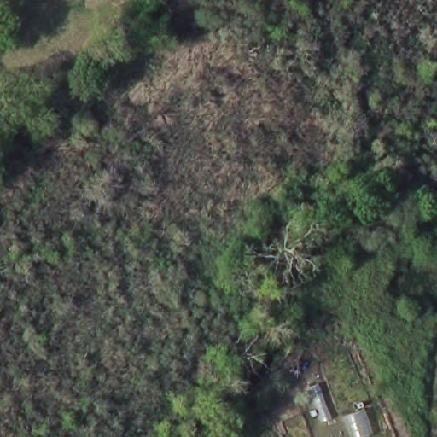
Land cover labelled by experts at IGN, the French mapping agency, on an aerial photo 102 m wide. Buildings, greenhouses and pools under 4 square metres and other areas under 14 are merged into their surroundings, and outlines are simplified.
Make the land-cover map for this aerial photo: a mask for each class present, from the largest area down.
<instances>
[{"label":"brushwood","instance_id":"1","mask_svg":"<svg viewBox=\"0 0 437 437\"><path fill-rule=\"evenodd\" d=\"M198 0H164L150 12V17L160 20L164 15H169V32L178 39V43L183 44L178 51H145L131 56V60L114 63L102 73L99 80V87L104 90L101 101H97L94 96L90 97L89 101H82L79 96H73L68 80H60L53 87L50 97L44 102L46 108L56 114L58 128L48 137L34 140L26 125L19 126L14 137L9 138L3 145V157L0 160V437H160L155 425L166 420L172 405L167 399L169 394L166 393V389H159L155 382L145 381L155 370L149 369L145 362L152 355V343H160V347H166L176 345L178 340L186 341L188 328L184 326L189 323V319L184 306L189 304V300H195L201 288L212 283V278L203 270L200 249L196 248L203 241V237L210 236L212 232L218 236L227 234L237 224L234 210L239 205L253 200L254 196L261 198L263 195H273L275 184L285 174V167L294 166L297 171H306L307 167L312 166L319 172L324 167L331 166L338 150V137L347 135V131L353 133L352 143L355 147L370 150L382 125H391L393 121H399L410 125L411 130L417 131L427 119L437 121V72L434 73V79L425 82L418 73V65L427 60L437 63V0H246L261 7L258 14L248 17L236 9L234 0H224V7L212 5L210 10V14L217 15L220 19V26L208 31L198 24L195 17V3ZM265 20L271 26L285 27L288 31L287 38L277 41L271 39L270 32L261 31V24ZM369 26L384 27L387 39L379 36V32H374L365 48L353 43L355 34L364 32L365 27ZM297 41L309 43L307 60L314 61L318 68L312 77H307L300 68ZM73 118L92 119L96 123L92 133L85 137L87 143L84 149H77L70 142ZM106 128H116L128 140L138 142V149L131 152L119 150L118 145L104 140ZM106 169H114L123 178L121 188L114 189L111 196V208H104L96 201L85 198V186L96 184V176H101ZM172 224L186 232L189 237V244L181 253L172 251L171 239L167 237V229ZM56 292L63 302H73L65 316H58L48 309V306L53 304L51 295ZM29 326H32L36 335H44L46 357L43 360L36 357V353H32L24 341V329ZM79 353L87 360V365L92 370L90 379L73 376L70 370L72 365H79ZM437 370V333L428 352L427 376L423 377L425 401L428 406L434 408V382Z\"/></svg>","mask_w":437,"mask_h":437},{"label":"deciduous trees","instance_id":"2","mask_svg":"<svg viewBox=\"0 0 437 437\"><path fill-rule=\"evenodd\" d=\"M12 0H0V61H3V55L7 51L19 50L15 38L20 20L10 10ZM164 0H130L123 5L121 19L116 22L113 29L102 26L96 41L90 43L89 50L85 53H75V63L68 80L73 96H79L82 101H89L90 97L94 96L97 101H101L104 90L99 87V80L102 73L114 63L131 60V56L145 51H178L183 44L178 43V39L169 32V15H164L160 20L150 17V12ZM212 5L224 7V0H198L195 3V17L198 24L208 31L220 26V19L217 15L210 14V10ZM236 9L248 17L258 14L261 7L246 0H234ZM261 31L270 32L271 39L277 41L287 38L288 31L285 27L271 26L265 20L261 24ZM374 32H379V36L387 39L384 27L369 26L365 27L364 32L355 34L353 43L365 48ZM309 43L297 41L300 68L307 77H312L318 68L314 61L307 60ZM437 72V63L427 60L418 65V73L425 82L434 79V73ZM53 87L50 82L36 84V80L24 75L20 67L7 68L3 65L0 68V160L3 157V145L9 138L14 137L19 126L26 125L34 140L48 137L58 128L56 114L46 108L44 102L50 97ZM70 142L77 149H84L87 143L85 137L92 133L96 123L92 119L73 118ZM353 133L347 131V135L338 137V150L331 166L324 167L319 172L312 166L307 167L306 171H297L294 166L285 167V174L275 184L273 195H263L261 198L254 196L253 200L239 205L234 210L237 224L227 234L218 236L212 232L210 236L203 237V241L196 248L200 249L203 270L212 278V283L201 288L195 300H189V304L184 306L189 319V323L184 326L188 328L186 341L178 340L176 345L166 347H160V343H152V355L145 362L149 369L155 370L145 381L155 382L159 389H166V393L169 394L167 399L172 405L166 420L155 425L160 437H239L242 423L256 415L259 411L270 408L271 399L268 393L275 387L278 391H285L288 379L294 374L299 376L300 364L302 347L294 345L292 336L299 335L300 328L304 326V309L323 299L321 287L328 280V275L331 277L341 265V259H352L353 265L362 270L367 261L377 258L394 244L399 253L403 254V258L410 259L413 265L432 268L437 265V236L430 232L428 236H422L415 229V225L422 218L430 220L437 210V121L427 119L417 131L411 130L410 125L399 121H393L391 125H382L370 150L355 147L352 143ZM104 140L118 145L119 150L131 152L138 149V142L128 140L116 128H106ZM123 178L114 169H106L101 176H96V184L85 186V198L96 201L104 208H111V196L114 189L121 188ZM167 237L171 239L172 251L181 253L189 244V237L186 232L172 224L167 229ZM53 304L48 306V309L58 316H65L73 302H63L56 292L51 295ZM399 316L411 321L417 314V304L410 299H399ZM24 341L32 353H36V357L43 360L46 357L44 335H36L32 326H29L24 329ZM79 365H72L70 370L73 376L90 379L92 370L87 365V360L79 353Z\"/></svg>","mask_w":437,"mask_h":437},{"label":"herbaceous vegetation","instance_id":"3","mask_svg":"<svg viewBox=\"0 0 437 437\"><path fill-rule=\"evenodd\" d=\"M130 0H12L10 10L20 20L15 38L19 50L7 51L3 55V61H0V68L3 65L7 68L20 67L24 75L36 80V84L50 82L53 87L60 80H68L75 63V53H85L89 50L90 43L96 41L102 26L113 29L116 22L121 19L123 5ZM415 229L422 236H428L430 232L437 236V210L430 220L422 218L415 225ZM323 299L304 309V326L300 328L299 335L292 336L294 345L302 347L300 364L312 367L311 340H319L318 331L321 329L336 328L341 335L357 340L358 347L364 352L370 367L367 376L370 377V381H381L374 398L386 399L394 417L398 418L401 427L410 437H437V370L434 382V408L428 406L425 401L423 377L427 376L428 352L437 333V265L432 268L413 265L410 259L403 258V254L399 253L394 244L377 258L367 261L362 270L353 265L352 259H341V265L331 277L328 275V280L321 287ZM399 299H410L417 304V314L411 321L399 316ZM265 430L268 428L256 415L242 423L239 437H266Z\"/></svg>","mask_w":437,"mask_h":437},{"label":"agricultural land","instance_id":"4","mask_svg":"<svg viewBox=\"0 0 437 437\"><path fill-rule=\"evenodd\" d=\"M319 340H311L312 367L300 364L299 376L294 374L288 379L285 391H278L275 387L268 393L271 399L270 408L259 411L256 415L268 428L265 430L266 437H352L348 432L345 417L352 415L358 401L364 403V410L369 418L372 430L369 437H410L401 427L398 418L394 417L386 399L374 398L381 381H370V377L367 376L370 367L364 352L358 347L357 340L341 335L336 328L321 329L318 331ZM304 386H318L321 389L324 406L329 417L335 420V425H326L319 420V410L314 406V396L302 393Z\"/></svg>","mask_w":437,"mask_h":437},{"label":"greenhouse","instance_id":"5","mask_svg":"<svg viewBox=\"0 0 437 437\"><path fill-rule=\"evenodd\" d=\"M302 393L314 396V406L319 410V420L326 425H335V420L329 417L324 406L321 389L318 386H304ZM348 432L352 437H369L372 430L369 418L364 410V403L358 401L352 415L345 417Z\"/></svg>","mask_w":437,"mask_h":437}]
</instances>
